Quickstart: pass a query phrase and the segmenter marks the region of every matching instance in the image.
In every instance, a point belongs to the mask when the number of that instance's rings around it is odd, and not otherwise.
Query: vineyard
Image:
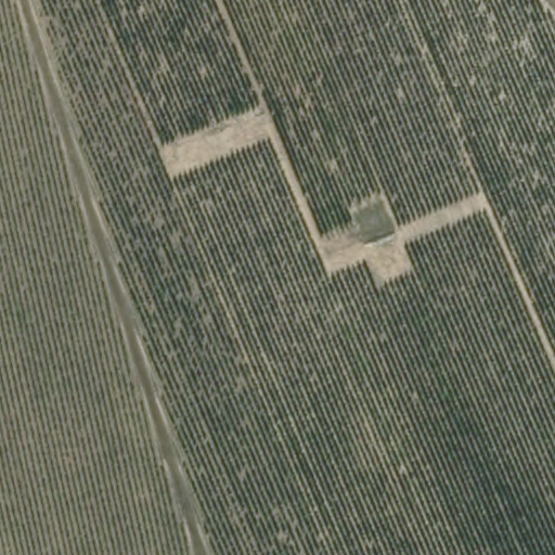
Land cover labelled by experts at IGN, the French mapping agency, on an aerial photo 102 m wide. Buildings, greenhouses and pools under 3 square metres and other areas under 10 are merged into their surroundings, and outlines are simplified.
[[[0,555],[555,555],[555,0],[0,0]]]

